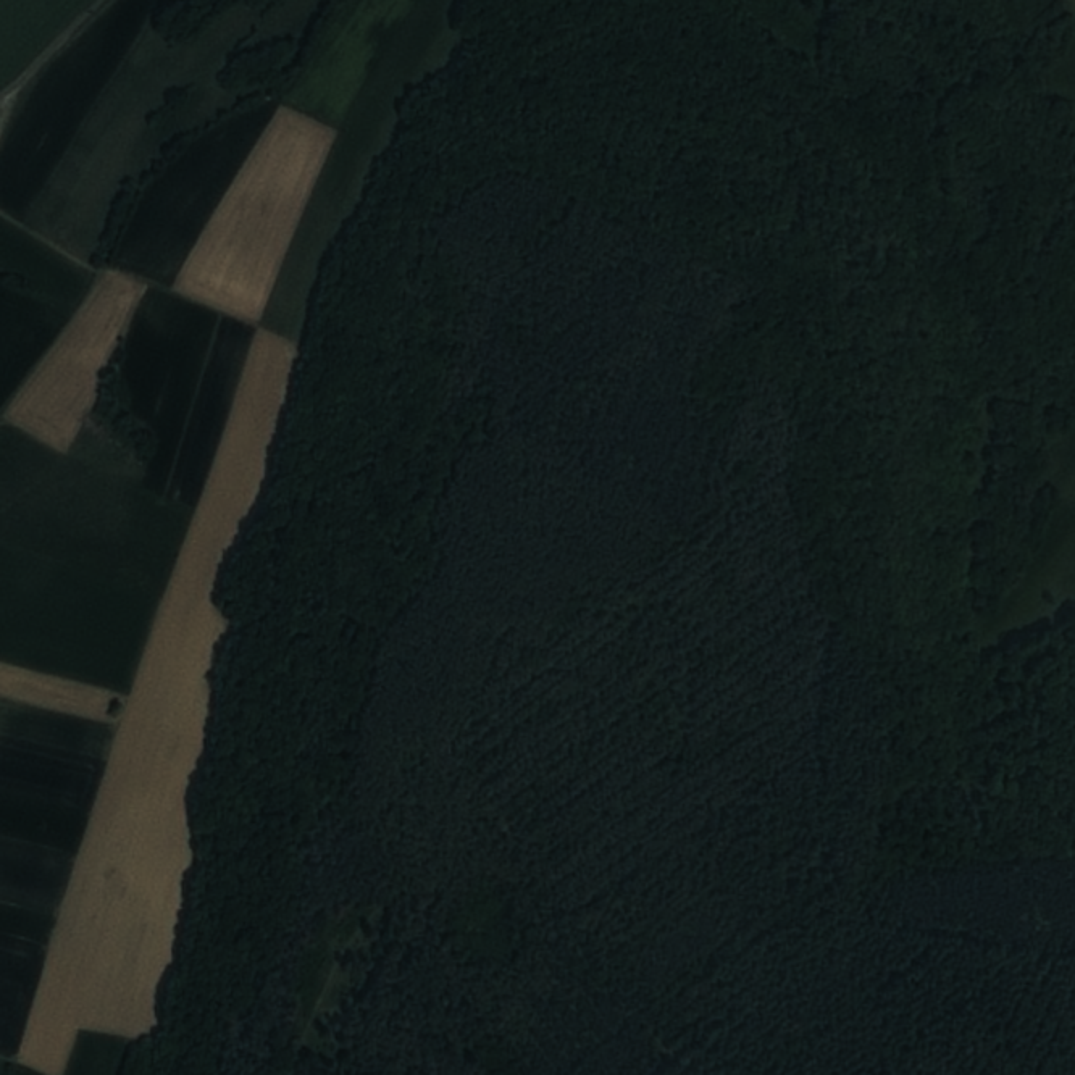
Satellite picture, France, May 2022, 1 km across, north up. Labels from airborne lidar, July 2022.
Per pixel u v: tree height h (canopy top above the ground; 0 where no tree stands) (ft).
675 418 51
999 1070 61
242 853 61
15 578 0
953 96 62
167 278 0
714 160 43
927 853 67
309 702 52
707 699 48
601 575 50
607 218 52
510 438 61
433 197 43
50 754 0
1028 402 57
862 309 58
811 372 46
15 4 0
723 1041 82
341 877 68
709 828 65
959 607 61
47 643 0
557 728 43
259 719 52
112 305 0
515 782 51
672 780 60
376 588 58
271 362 0
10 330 0
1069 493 0
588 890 60
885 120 80
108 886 0
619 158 52
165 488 0
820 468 54
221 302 0
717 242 46
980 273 67
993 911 50
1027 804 59
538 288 58
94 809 0
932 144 60
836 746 102
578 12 63
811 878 89
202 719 0
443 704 56
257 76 41
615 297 51
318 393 75
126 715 0
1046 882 43
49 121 0
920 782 66
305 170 0
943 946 100
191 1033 68
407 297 56
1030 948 45
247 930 77
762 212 47
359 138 0
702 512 38
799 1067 106
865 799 91
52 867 0
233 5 26
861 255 38
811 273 54
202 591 0
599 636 46
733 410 44
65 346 0
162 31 36
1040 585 0
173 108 36
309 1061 69
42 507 0
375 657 60
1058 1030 77
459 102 67
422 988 77
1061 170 70
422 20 0
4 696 0
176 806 0
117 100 0
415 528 57
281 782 53
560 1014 37
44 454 0
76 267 0
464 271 44
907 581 66
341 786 57
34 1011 0
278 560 76
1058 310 71
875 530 55
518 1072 38
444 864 57
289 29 0
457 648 63
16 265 0
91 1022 0
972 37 69
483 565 62
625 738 48
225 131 0
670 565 51
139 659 0
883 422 52
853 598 55
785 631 61
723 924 48
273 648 67
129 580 0
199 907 65
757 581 60
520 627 41
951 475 64
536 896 53
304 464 82
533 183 61
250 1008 63
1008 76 80
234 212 0
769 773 58
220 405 0
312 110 0
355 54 0
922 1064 77
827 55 37
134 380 0
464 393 48
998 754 65
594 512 61
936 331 54
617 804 48
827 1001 106
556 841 36
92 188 0
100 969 0
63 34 0
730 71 54
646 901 51
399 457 58
